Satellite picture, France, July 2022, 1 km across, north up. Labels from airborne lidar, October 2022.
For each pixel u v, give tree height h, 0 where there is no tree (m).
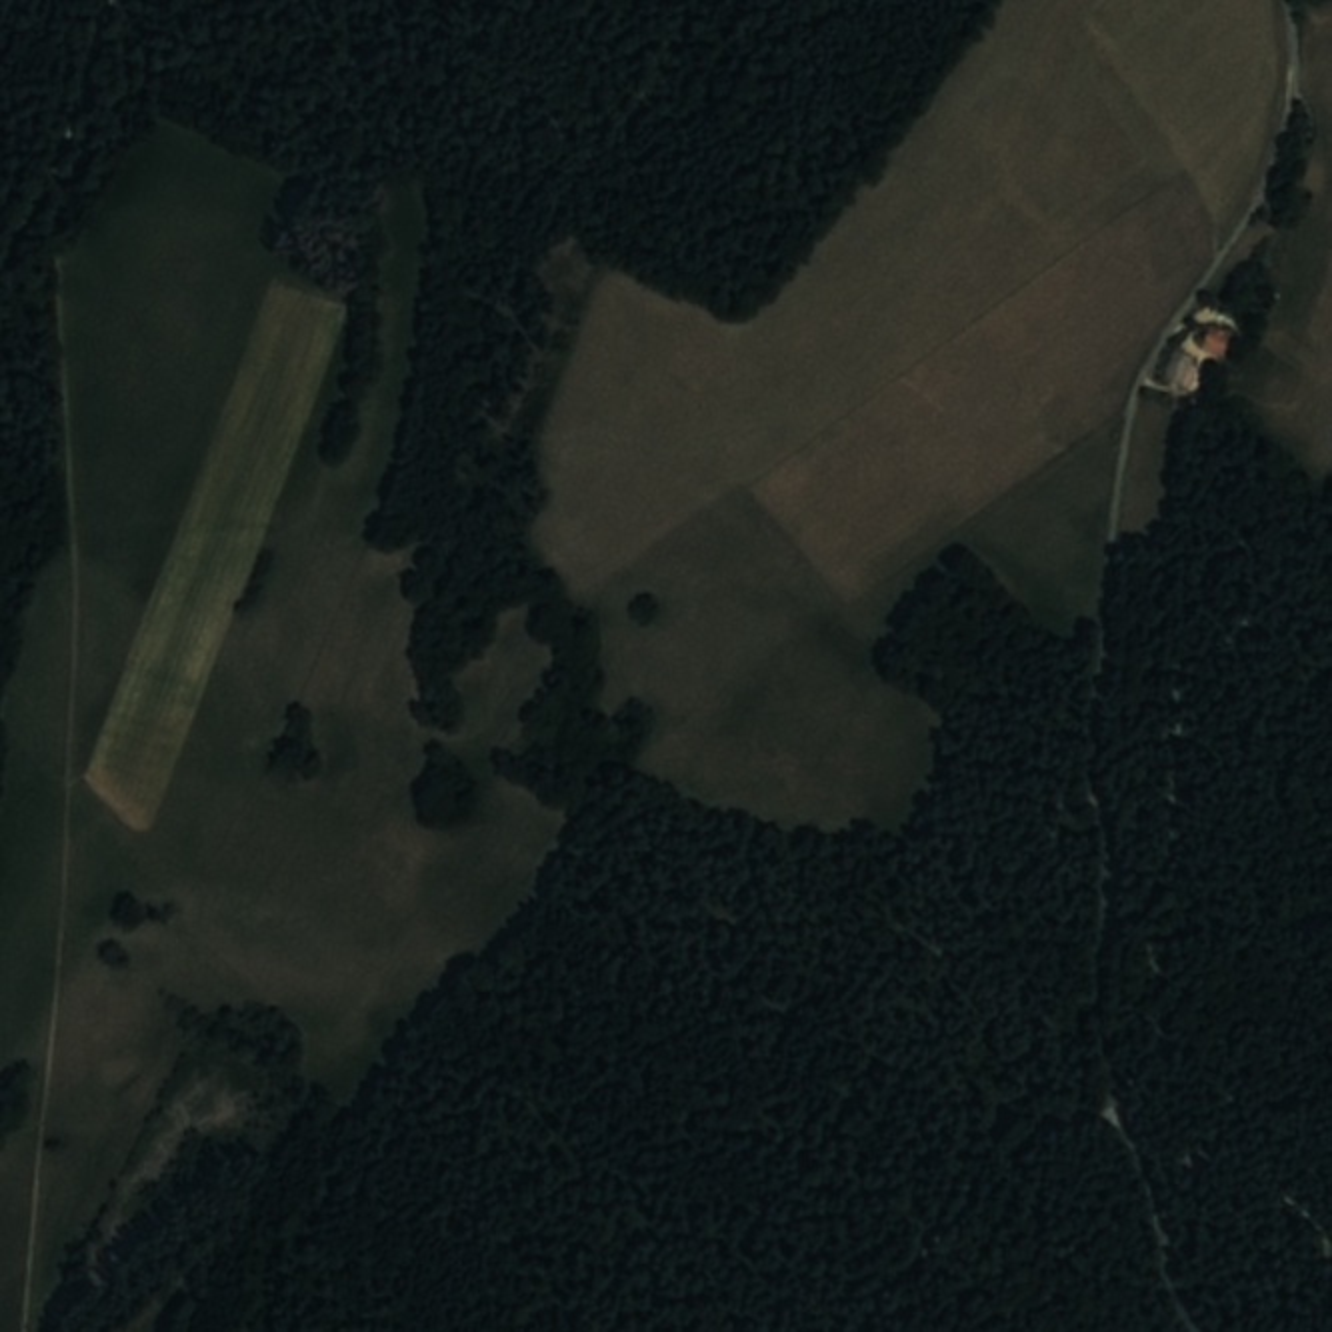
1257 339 11
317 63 26
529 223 23
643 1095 24
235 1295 22
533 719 18
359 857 0
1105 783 29
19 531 16
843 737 0
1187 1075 35
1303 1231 33
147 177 0
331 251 0
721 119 30
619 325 0
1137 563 29
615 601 0
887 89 28
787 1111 38
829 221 26
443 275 21
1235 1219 37
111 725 0
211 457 0
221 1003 0
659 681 0
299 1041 15
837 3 31
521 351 23
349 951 0
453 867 0
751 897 31
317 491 0
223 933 0
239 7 22
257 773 0
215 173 0
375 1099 25
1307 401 0
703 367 0
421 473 23
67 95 26
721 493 0
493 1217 33
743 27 29
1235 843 31
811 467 0
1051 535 0
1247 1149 36
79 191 17
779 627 0
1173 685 29
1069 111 0
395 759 0
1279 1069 25
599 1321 31
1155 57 0
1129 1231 35
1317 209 0
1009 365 0
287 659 0
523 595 20
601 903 11
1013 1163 15
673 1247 36
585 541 0
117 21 24
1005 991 29
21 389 33
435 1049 24
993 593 30
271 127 24
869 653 0
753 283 31
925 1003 33
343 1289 17
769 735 0
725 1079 18
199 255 0
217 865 0
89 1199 0
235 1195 34
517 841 0
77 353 0
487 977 31
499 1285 30
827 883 17
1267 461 35
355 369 17
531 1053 10
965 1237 36
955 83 0
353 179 0
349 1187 27
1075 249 0
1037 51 0
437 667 16
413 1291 18
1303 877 30
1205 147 0
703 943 15
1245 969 26
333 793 0
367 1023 0
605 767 7
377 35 21
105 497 0
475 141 32
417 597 20
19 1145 0
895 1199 36
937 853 7
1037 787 31
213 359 0
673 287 25
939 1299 30
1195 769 32
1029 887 34
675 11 27
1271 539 35
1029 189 0
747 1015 29
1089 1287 37
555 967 29
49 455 35
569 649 27
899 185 0
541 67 28
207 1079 0
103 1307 32
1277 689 32
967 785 34
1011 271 0
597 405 0
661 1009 27
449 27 13
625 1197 40
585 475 0
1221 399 17
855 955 18
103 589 0
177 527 0
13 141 28
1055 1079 34
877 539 0
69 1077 0
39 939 0
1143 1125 36
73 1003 0
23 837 0
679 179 25
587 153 27
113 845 0
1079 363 0
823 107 29
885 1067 9
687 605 0
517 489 28
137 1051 0
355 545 0
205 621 0
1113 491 0
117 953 19
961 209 0
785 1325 35
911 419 0
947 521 0
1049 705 25
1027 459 0
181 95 17
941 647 31
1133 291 0
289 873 0
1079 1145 37
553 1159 8
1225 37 0
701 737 0
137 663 0
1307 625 36
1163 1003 27
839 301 0
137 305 0
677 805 30
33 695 0
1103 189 0
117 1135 0
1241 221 0
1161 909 25
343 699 0
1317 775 27
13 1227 0
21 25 30
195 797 0
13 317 12
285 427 0
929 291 0
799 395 0
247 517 0
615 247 20
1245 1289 34
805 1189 37
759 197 9
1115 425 0
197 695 0
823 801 0
